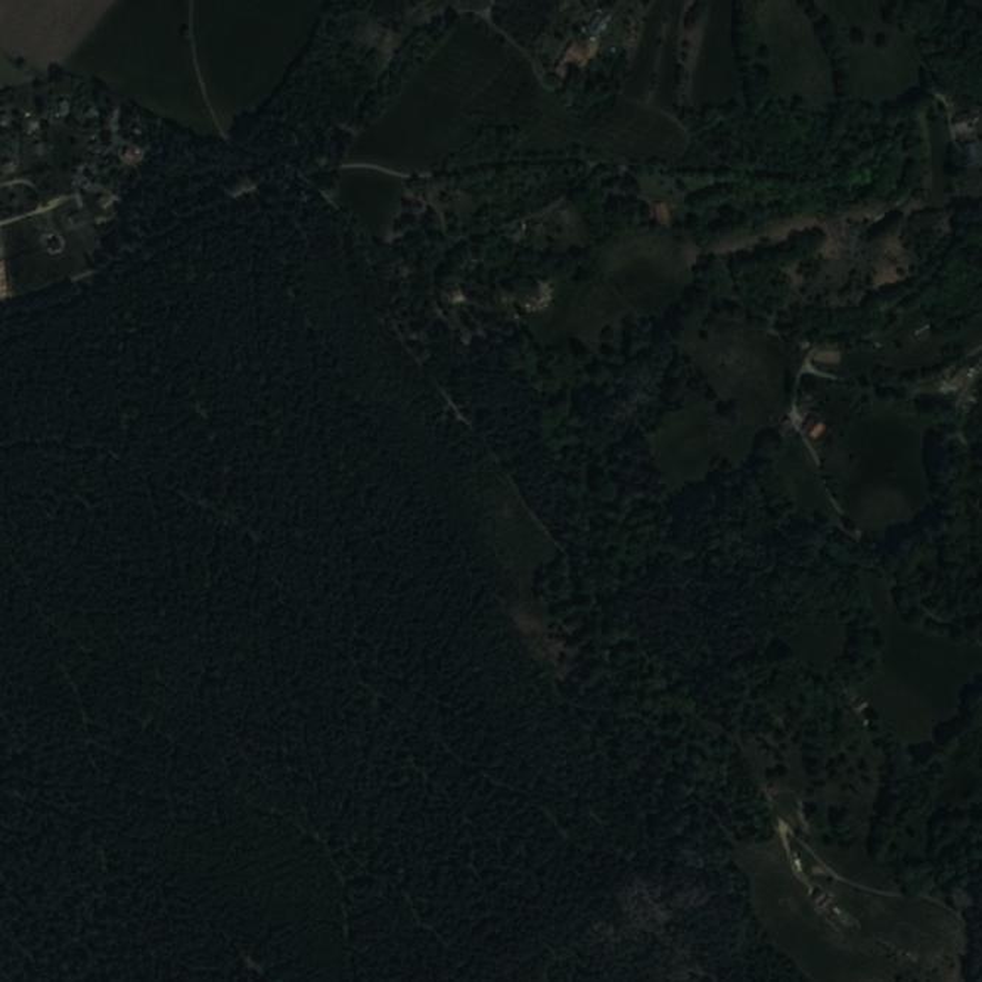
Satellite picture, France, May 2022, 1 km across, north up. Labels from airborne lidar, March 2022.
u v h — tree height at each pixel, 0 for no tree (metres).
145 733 16
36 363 19
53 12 0
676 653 32
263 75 0
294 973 21
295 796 18
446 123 0
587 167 11
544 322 0
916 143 23
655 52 0
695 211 18
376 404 17
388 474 19
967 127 0
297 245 22
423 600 18
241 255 22
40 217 0
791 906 0
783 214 19
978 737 21
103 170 8
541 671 17
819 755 17
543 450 29
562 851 21
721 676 20
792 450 0
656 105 0
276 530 20
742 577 32
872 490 0
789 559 21
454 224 12
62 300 17
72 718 16
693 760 20
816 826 12
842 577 25
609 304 0
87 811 20
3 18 0
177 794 13
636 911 23
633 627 29
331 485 20
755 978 12
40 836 31
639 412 21
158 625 21
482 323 27
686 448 0
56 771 14
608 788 15
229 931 15
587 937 27
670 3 0
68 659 17
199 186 8
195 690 17
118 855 10
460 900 15
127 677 17
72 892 11
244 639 18
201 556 16
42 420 16
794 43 0
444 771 18
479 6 0
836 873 0
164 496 17
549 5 19
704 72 0
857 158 18
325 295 18
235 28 0
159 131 11
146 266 19
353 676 18
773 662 22
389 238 0
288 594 10
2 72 0
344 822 17
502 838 6
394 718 19
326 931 11
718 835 33
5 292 0
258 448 20
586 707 31
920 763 30
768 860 0
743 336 0
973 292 19
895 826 21
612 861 18
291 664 18
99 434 20
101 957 14
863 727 6
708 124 12
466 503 17
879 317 11
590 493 7
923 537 29
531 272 17
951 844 7
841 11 0
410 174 0
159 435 19
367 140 0
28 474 16
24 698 20
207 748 18
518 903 17
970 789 0
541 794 22
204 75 0
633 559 28
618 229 22
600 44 0
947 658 0
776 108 18
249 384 18
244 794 16
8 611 14
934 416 31
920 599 7
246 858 9
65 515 18
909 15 25
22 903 26
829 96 0
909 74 0
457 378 25
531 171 7
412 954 14
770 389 0
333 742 18
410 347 15
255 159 30
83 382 20
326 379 18
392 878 18
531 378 24
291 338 18
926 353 0
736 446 0
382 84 10
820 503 0
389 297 14
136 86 0
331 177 25
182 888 13
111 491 15
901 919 0
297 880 10
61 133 0
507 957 21
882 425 0
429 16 0
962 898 0
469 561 16
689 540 32
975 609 17
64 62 0
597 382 13
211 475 19
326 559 21
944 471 33
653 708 19
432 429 12
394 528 17
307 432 20
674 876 24
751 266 22
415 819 17
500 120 7
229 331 21
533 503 34
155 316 20
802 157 12
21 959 11
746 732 10
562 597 25
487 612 22
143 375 17
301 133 10
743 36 21
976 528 13
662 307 0
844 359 0
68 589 15
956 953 0
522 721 23
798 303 0
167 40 0
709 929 25
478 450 14
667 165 8
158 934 16
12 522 9
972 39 25
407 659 20
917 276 7
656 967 24
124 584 18
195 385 18
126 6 0
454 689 21
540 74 0
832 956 0
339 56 11
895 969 0
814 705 22
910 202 0
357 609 18
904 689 0
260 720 18
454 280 12
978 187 0
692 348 0
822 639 0
